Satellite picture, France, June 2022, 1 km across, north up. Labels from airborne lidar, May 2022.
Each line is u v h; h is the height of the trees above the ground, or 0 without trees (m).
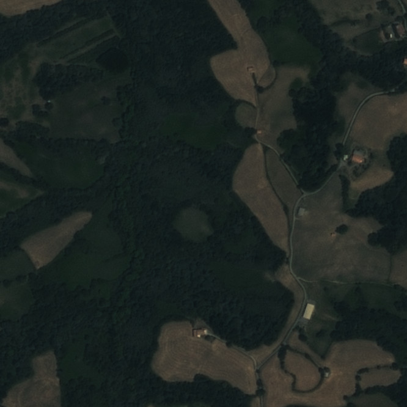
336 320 0
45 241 0
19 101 0
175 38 9
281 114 0
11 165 0
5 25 26
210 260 7
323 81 21
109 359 7
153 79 8
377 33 0
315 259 0
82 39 0
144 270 11
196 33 11
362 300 6
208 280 18
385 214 24
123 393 16
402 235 22
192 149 12
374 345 0
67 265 0
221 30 9
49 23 13
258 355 0
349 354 0
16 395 0
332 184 0
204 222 0
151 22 26
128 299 7
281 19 13
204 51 11
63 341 7
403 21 9
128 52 13
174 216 8
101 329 7
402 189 16
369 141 0
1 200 0
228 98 6
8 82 0
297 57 0
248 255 14
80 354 0
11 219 25
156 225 12
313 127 27
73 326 7
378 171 0
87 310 18
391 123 0
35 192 0
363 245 0
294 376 5
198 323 0
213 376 0
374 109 0
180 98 9
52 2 0
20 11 0
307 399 0
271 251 7
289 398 0
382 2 11
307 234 0
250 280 0
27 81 0
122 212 25
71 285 0
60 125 0
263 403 0
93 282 12
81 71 16
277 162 0
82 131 0
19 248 10
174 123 0
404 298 11
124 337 6
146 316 11
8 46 16
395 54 16
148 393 21
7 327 28
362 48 0
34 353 14
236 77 0
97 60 13
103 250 0
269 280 0
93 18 6
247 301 13
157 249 11
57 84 13
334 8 0
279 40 0
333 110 15
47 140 11
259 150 0
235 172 0
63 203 11
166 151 19
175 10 11
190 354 0
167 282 6
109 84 0
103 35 6
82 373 0
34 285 8
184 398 23
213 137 0
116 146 12
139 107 15
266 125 0
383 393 16
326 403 0
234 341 11
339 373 0
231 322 21
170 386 13
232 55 0
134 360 10
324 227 0
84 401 14
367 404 0
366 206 18
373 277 0
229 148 7
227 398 22
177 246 9
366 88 0
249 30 0
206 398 20
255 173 0
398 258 0
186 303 18
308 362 0
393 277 0
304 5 17
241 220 13
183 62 7
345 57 21
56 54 0
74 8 21
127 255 7
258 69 0
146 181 10
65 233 0
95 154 7
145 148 8
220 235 15
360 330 12
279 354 7
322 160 10
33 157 0
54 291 12
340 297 0
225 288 7
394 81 16
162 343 0
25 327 19
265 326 12
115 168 23
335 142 0
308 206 0
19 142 12
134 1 16
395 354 11
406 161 26
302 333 12
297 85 0
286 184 0
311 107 24
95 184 10
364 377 0
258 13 0
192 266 19
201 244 8
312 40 12
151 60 12
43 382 0
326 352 0
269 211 0
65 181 0
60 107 0
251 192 0
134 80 15
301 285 0
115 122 17
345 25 0
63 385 7
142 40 17
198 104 11
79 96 0
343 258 0
